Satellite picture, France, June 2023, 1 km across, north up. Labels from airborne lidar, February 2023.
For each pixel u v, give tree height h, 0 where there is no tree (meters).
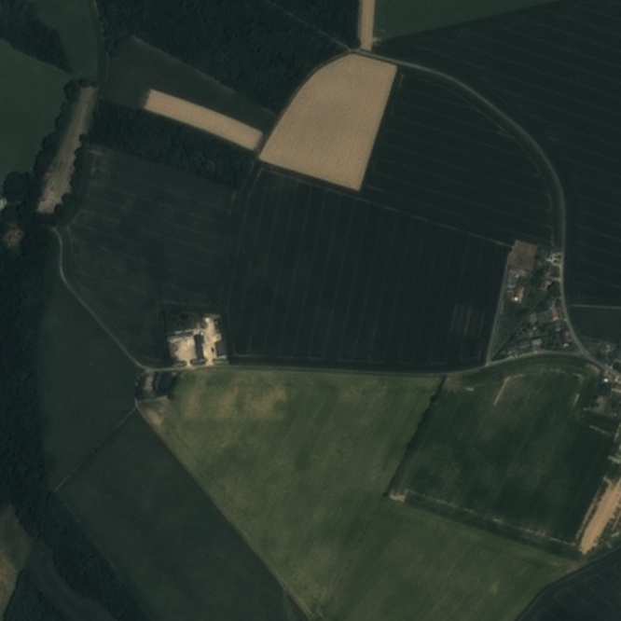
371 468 0
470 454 0
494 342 0
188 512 0
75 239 0
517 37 0
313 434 0
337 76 0
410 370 0
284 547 0
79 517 0
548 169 0
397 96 0
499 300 0
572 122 0
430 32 0
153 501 0
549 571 0
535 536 0
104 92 0
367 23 0
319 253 0
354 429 0
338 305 0
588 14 0
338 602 0
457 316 0
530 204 0
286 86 16
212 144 15
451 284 0
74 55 0
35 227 16
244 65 15
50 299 0
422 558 0
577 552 0
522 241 0
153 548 0
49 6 0
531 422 0
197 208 0
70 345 0
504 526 0
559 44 0
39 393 13
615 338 0
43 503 19
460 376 0
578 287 0
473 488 0
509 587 0
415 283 0
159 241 0
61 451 0
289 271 0
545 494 0
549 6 0
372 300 0
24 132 0
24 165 0
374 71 0
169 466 0
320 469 0
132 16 16
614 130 0
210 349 0
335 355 0
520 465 0
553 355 0
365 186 0
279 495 0
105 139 9
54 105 0
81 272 0
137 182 0
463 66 0
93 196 0
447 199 0
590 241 0
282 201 0
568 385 0
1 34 13
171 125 14
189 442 0
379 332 0
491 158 0
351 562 0
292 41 18
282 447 0
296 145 0
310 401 0
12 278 9
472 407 0
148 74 0
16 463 20
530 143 0
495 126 0
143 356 0
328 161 0
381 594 0
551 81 0
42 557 0
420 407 0
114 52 12
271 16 18
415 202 0
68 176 0
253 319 0
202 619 0
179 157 20
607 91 0
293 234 0
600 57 0
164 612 0
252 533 0
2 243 17
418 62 0
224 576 0
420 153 0
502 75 0
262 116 0
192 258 0
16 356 20
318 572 0
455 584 0
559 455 0
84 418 0
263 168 0
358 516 0
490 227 0
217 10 17
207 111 0
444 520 0
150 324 0
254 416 0
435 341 0
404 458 0
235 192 0
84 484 0
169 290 0
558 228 0
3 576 0
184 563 0
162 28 15
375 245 0
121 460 0
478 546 0
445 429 0
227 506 0
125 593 17
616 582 0
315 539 0
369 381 0
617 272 0
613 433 0
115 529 0
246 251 0
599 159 0
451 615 0
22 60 0
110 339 0
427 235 0
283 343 0
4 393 16
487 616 0
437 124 0
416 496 0
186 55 13
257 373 0
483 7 0
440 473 0
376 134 0
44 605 22
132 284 0
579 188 0
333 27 17
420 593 0
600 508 0
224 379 0
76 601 0
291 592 0
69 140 0
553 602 0
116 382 0
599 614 0
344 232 0
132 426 0
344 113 0
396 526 0
